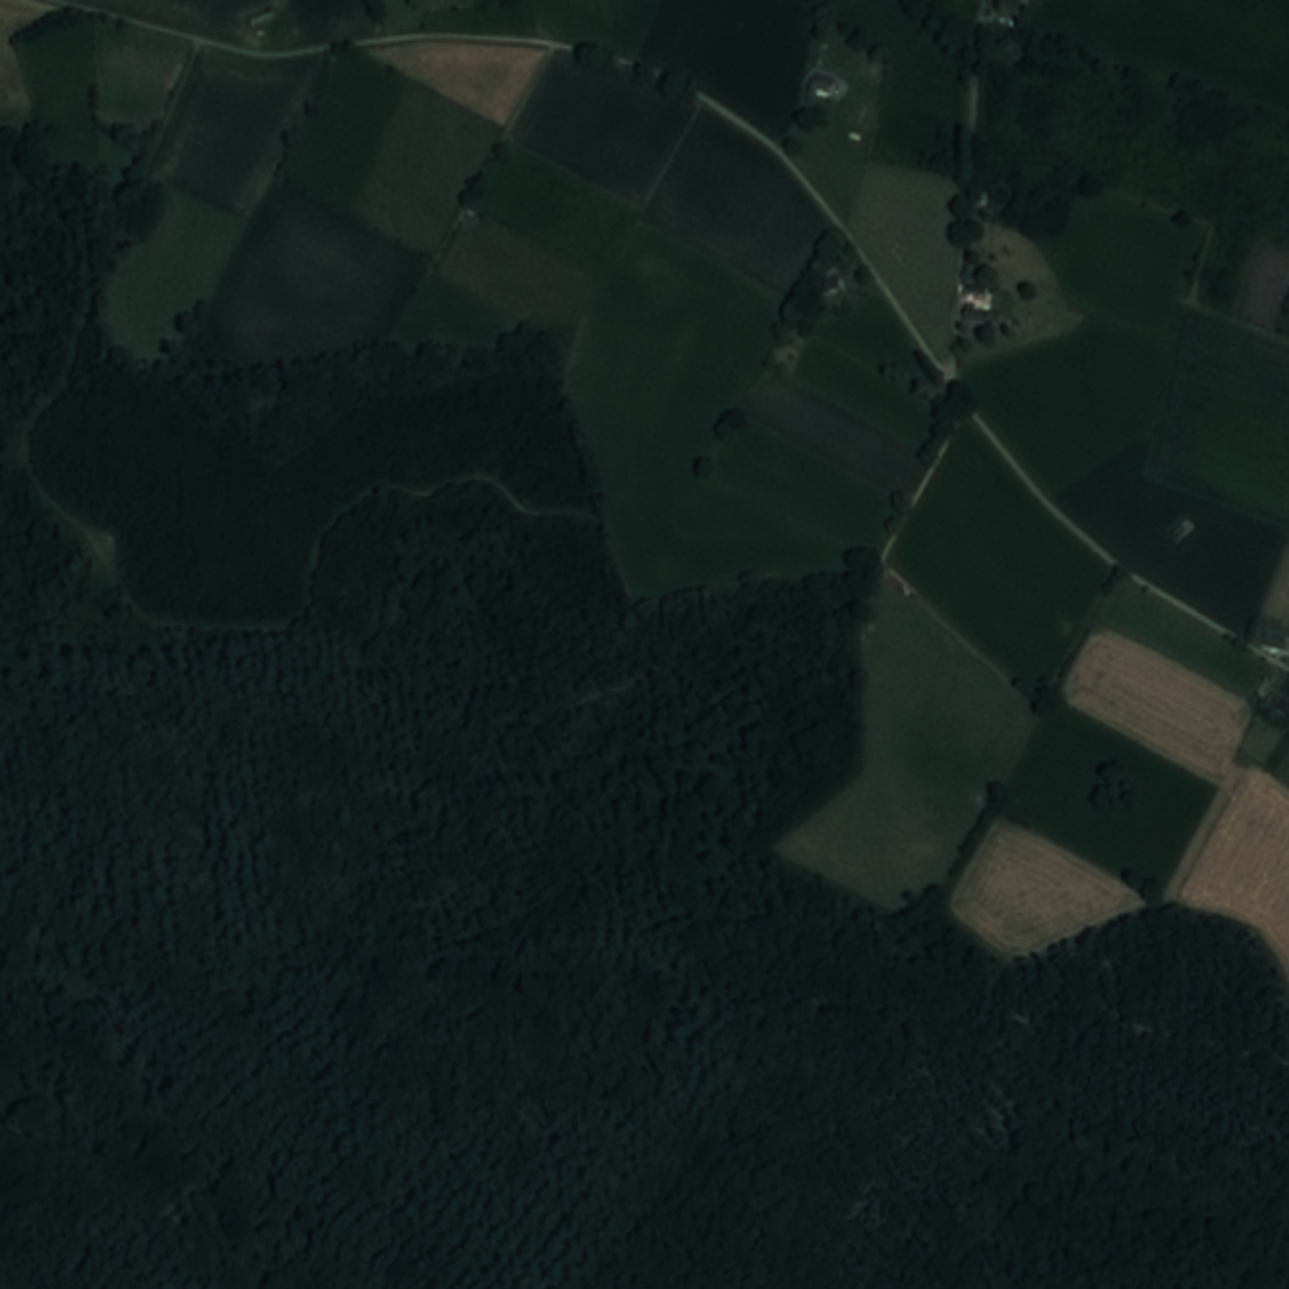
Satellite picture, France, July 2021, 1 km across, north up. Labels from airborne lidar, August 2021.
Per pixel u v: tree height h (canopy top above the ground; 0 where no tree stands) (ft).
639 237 0
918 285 0
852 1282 86
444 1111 62
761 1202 63
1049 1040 71
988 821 30
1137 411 0
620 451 0
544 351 67
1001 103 22
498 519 23
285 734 72
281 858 82
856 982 78
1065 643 0
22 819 71
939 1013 73
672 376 0
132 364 86
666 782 77
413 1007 57
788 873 32
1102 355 0
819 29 40
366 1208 94
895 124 0
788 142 33
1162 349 0
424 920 65
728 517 0
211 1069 71
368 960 86
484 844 45
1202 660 0
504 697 77
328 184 0
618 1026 64
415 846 78
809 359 0
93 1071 71
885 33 0
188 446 20
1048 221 39
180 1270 78
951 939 59
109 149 0
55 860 108
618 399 0
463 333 0
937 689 0
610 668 54
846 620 63
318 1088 77
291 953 92
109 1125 58
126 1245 61
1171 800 0
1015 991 82
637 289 0
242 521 19
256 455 20
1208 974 70
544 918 38
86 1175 61
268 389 88
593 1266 97
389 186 0
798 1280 82
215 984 79
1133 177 0
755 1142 63
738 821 67
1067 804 0
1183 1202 56
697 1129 72
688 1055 67
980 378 0
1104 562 0
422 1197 109
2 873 91
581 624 56
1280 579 0
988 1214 63
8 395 32
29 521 21
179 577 23
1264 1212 65
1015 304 0
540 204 0
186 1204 64
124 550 22
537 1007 80
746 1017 67
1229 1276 74
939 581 0
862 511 0
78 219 77
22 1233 75
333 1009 68
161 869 108
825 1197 82
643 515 0
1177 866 0
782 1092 65
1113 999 61
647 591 0
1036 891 0
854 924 62
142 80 0
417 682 40
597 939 79
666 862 80
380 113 0
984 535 0
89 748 73
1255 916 0
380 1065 61
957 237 51
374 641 45
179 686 82
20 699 108
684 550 0
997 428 0
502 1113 64
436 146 0
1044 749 0
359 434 28
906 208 0
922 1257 68
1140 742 0
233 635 35
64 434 24
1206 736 0
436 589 82
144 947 79
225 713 73
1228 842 0
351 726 70
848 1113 60
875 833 0
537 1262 78
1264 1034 34
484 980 79
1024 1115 92
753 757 76
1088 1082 74
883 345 0
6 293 72
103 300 55
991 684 0
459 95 0
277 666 118
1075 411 0
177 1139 73
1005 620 0
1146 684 0
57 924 70
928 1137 85
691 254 0
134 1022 112
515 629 31
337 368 70
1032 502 0
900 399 0
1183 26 0
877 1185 84
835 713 38
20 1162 78
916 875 0
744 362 0
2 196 83
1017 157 30
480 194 36
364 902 77
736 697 49
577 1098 58
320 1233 83
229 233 0
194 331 81
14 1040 74
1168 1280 63
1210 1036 49
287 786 68
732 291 0
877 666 0
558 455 28
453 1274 109
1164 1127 75
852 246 47
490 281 0
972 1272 75
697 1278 75
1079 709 0
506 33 0
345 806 71
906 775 0
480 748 66
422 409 28
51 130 31
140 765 64
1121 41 0
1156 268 0
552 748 74
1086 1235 40
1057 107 24
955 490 0
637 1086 83
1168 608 0
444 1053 59
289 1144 71
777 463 0
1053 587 0
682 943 78
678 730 67
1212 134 21
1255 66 0
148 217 78
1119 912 0
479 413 32
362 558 52
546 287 0
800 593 31
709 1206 61
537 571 22
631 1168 73
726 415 29
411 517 34
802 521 0
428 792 73
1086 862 0
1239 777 0
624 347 0
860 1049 72
